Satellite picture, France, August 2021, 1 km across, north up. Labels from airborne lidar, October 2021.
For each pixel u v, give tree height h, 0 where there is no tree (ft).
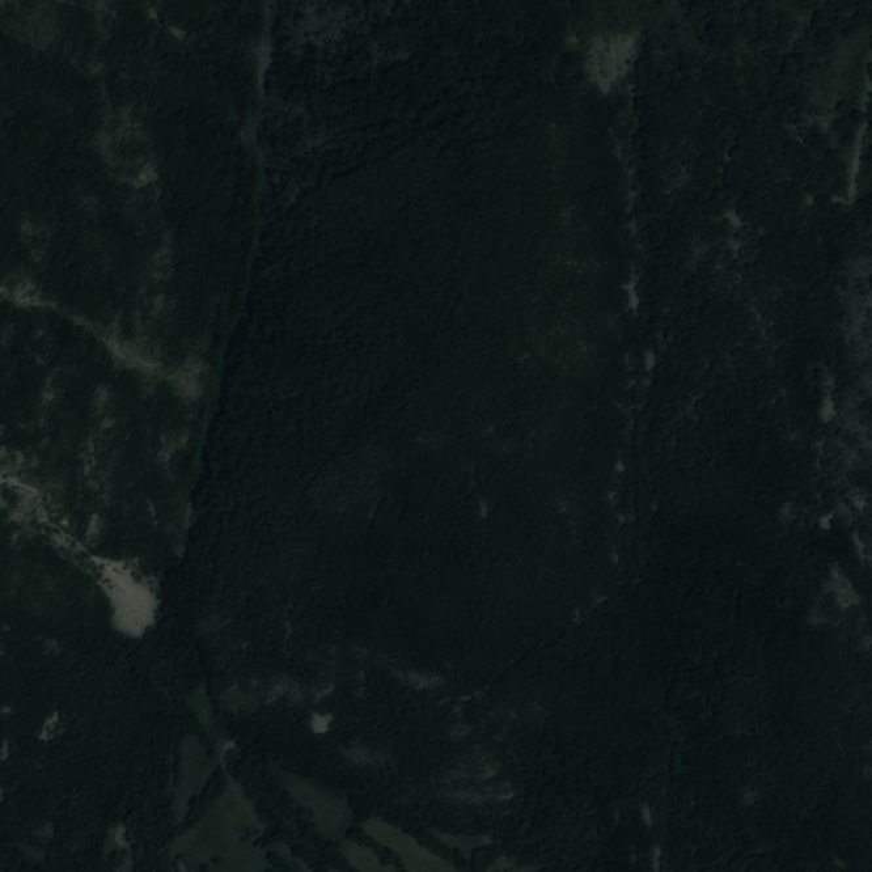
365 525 54
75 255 30
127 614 0
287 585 21
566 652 55
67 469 19
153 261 24
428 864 0
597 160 40
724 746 57
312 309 52
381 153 52
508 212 42
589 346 18
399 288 66
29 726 39
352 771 28
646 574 42
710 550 98
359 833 60
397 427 34
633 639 42
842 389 41
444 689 31
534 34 39
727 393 33
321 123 24
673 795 53
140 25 53
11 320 33
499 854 42
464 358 42
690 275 32
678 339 38
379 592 56
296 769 41
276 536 25
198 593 49
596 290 29
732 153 52
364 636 30
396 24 56
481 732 27
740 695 32
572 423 35
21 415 26
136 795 42
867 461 24
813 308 48
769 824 61
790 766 54
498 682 45
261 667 30
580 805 32
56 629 36
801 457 51
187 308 60
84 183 31
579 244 22
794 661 52
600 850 44
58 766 43
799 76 18
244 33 55
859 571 41
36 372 22
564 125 35
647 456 24
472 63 43
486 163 71
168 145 66
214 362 27
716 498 44
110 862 27
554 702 36
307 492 45
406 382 64
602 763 62
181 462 30
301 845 39
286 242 42
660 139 52
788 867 56
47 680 46
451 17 33
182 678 22
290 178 31
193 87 52
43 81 35
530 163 51
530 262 41
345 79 36
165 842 24
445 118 70
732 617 60
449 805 22
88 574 31
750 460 75
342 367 49
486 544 41
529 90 48
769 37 50
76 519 19
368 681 36
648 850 40
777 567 33
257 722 31
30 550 37
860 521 25
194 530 52
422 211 64
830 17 25
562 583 46
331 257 59
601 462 47
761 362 48
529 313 23
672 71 24
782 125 36
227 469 62
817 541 66
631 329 39
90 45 36
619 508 34
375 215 64
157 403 23
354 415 55
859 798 30
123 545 39
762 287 22
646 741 46
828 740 36
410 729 45
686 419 24
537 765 62
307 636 27
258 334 62
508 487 41
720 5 27
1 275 42
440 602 47
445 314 55
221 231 84
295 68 38
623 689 47
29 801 44
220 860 32
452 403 44
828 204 53
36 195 38
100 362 26
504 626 47
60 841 25
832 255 64
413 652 36
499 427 27
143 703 56
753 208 43
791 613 52
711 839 47
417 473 33
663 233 34
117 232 38
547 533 30
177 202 55
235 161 84
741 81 49
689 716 30
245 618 25
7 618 38
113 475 28
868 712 25
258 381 59
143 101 37
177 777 25
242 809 0
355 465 32
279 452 45
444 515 52
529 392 46
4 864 33
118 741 48
